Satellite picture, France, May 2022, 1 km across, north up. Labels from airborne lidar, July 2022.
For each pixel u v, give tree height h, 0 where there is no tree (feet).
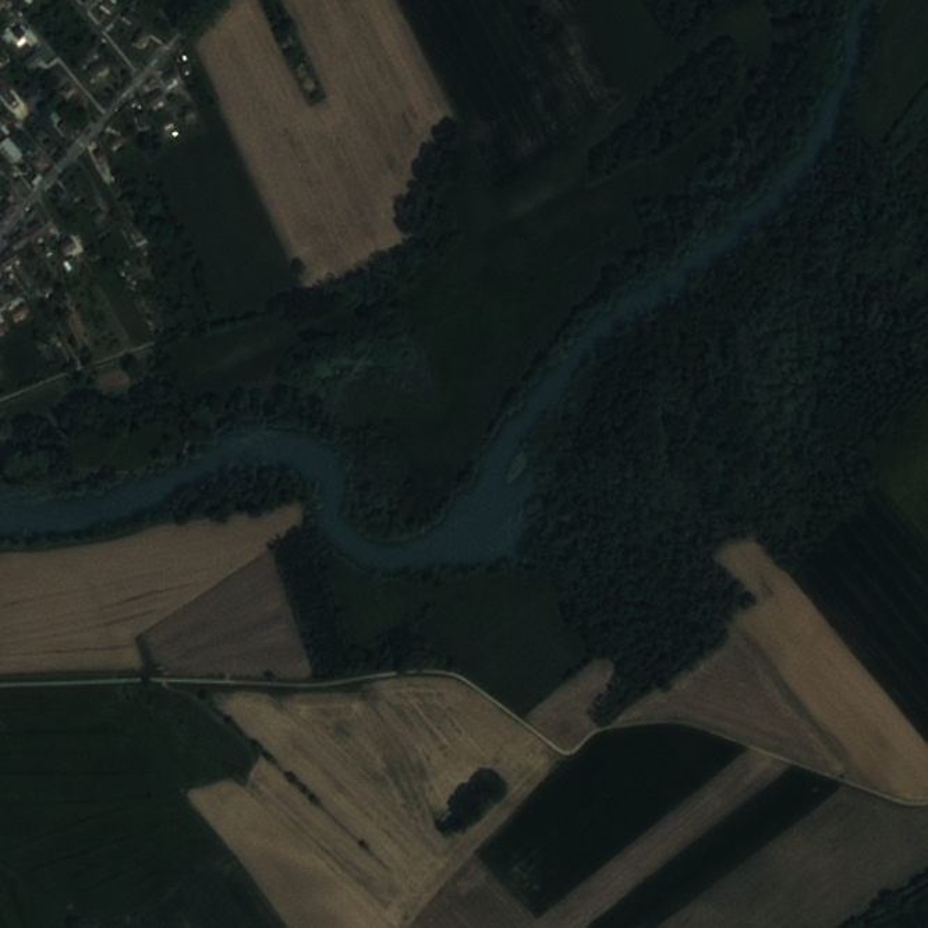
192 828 0
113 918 0
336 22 0
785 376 48
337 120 0
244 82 0
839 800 0
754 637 0
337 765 0
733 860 0
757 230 65
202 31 85
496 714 0
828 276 70
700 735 0
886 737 0
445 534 0
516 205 0
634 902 0
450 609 0
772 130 120
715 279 26
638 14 0
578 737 0
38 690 0
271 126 0
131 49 0
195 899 0
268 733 0
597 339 0
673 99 98
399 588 0
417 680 0
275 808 0
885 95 0
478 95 0
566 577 90
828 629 0
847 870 0
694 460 85
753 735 0
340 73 0
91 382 27
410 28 0
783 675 0
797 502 22
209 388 0
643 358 52
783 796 0
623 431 71
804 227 56
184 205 0
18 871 0
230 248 0
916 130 20
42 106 38
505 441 0
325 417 45
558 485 45
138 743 0
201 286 40
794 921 0
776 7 76
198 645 0
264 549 0
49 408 0
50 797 0
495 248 0
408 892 0
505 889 0
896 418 60
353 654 33
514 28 0
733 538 64
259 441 0
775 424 57
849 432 74
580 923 0
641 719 0
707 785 0
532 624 0
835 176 52
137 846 0
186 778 0
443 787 0
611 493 96
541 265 0
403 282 64
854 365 83
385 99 0
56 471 96
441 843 0
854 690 0
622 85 0
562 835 0
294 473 52
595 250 0
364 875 0
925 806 0
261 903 0
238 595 0
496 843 0
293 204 0
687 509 31
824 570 0
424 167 73
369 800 0
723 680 0
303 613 52
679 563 78
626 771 0
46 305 64
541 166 0
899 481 0
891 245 19
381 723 0
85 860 0
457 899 0
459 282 0
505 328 0
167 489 0
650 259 69
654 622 51
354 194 0
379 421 0
